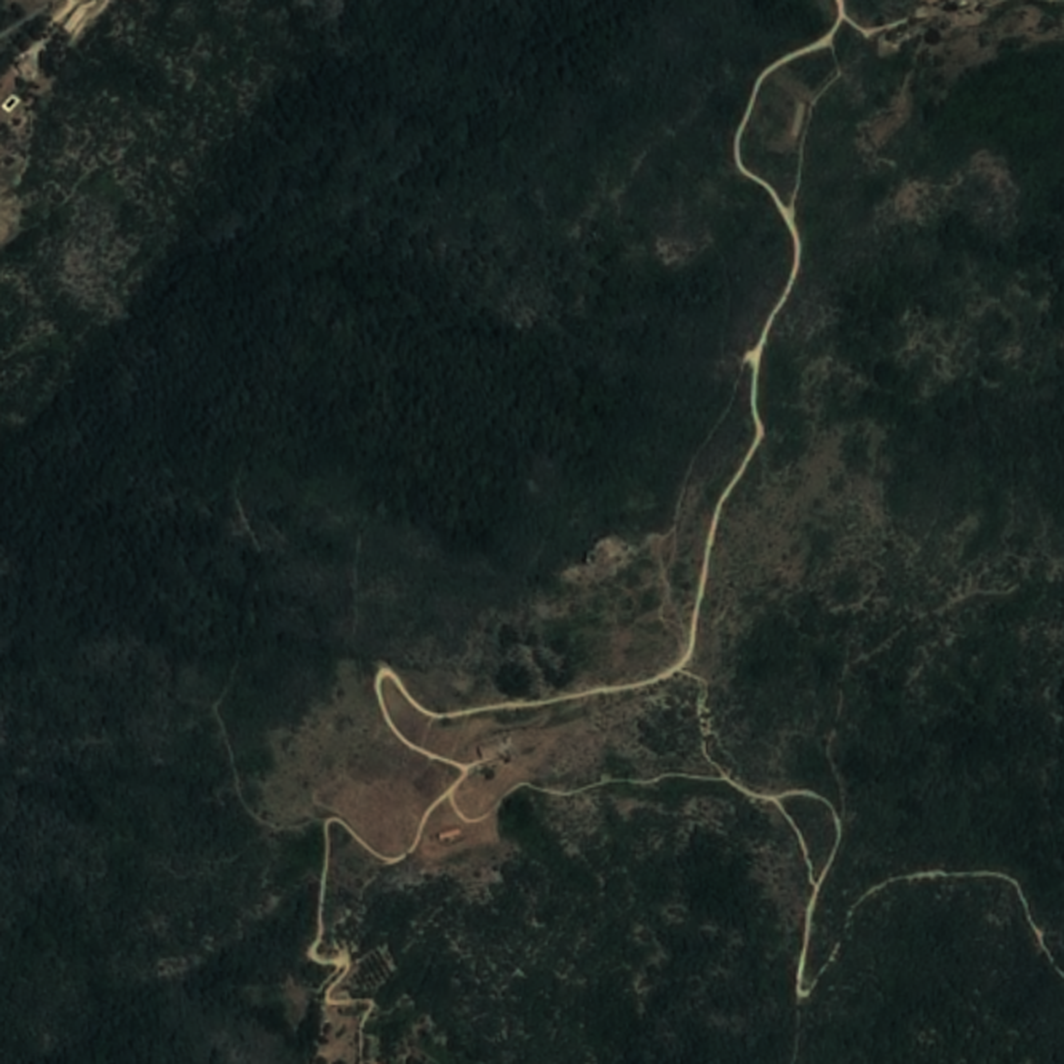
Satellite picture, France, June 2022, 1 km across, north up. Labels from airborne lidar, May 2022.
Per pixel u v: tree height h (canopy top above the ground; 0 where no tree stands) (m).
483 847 0
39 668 6
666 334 8
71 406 7
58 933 7
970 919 5
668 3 6
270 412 13
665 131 0
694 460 0
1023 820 8
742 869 8
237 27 6
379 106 17
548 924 6
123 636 7
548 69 18
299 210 12
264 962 7
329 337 16
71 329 10
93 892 7
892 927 6
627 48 7
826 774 5
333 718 0
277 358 9
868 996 6
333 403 9
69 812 7
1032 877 6
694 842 10
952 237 10
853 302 13
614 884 9
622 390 6
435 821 0
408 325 11
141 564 16
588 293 5
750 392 0
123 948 8
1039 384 9
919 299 8
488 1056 7
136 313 17
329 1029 8
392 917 6
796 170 0
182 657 6
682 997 7
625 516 7
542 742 0
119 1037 8
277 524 11
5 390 11
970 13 7
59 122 8
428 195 6
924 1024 11
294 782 0
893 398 7
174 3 10
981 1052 12
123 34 6
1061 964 7
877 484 0
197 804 6
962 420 6
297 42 8
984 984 7
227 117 9
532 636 7
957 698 10
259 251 17
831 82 0
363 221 12
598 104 6
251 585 7
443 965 11
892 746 8
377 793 0
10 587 6
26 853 8
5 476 11
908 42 8
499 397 11
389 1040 7
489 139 16
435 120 15
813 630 9
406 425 17
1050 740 8
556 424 14
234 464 6
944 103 9
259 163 13
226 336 13
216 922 7
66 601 10
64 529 11
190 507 6
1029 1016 8
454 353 14
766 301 0
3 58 11
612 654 0
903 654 7
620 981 8
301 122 11
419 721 0
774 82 0
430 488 16
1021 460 7
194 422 11
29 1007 7
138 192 8
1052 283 11
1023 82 9
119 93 7
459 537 11
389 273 13
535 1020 7
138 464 9
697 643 0
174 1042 9
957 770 7
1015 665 8
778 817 0
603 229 6
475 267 10
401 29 7
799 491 0
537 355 8
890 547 10
